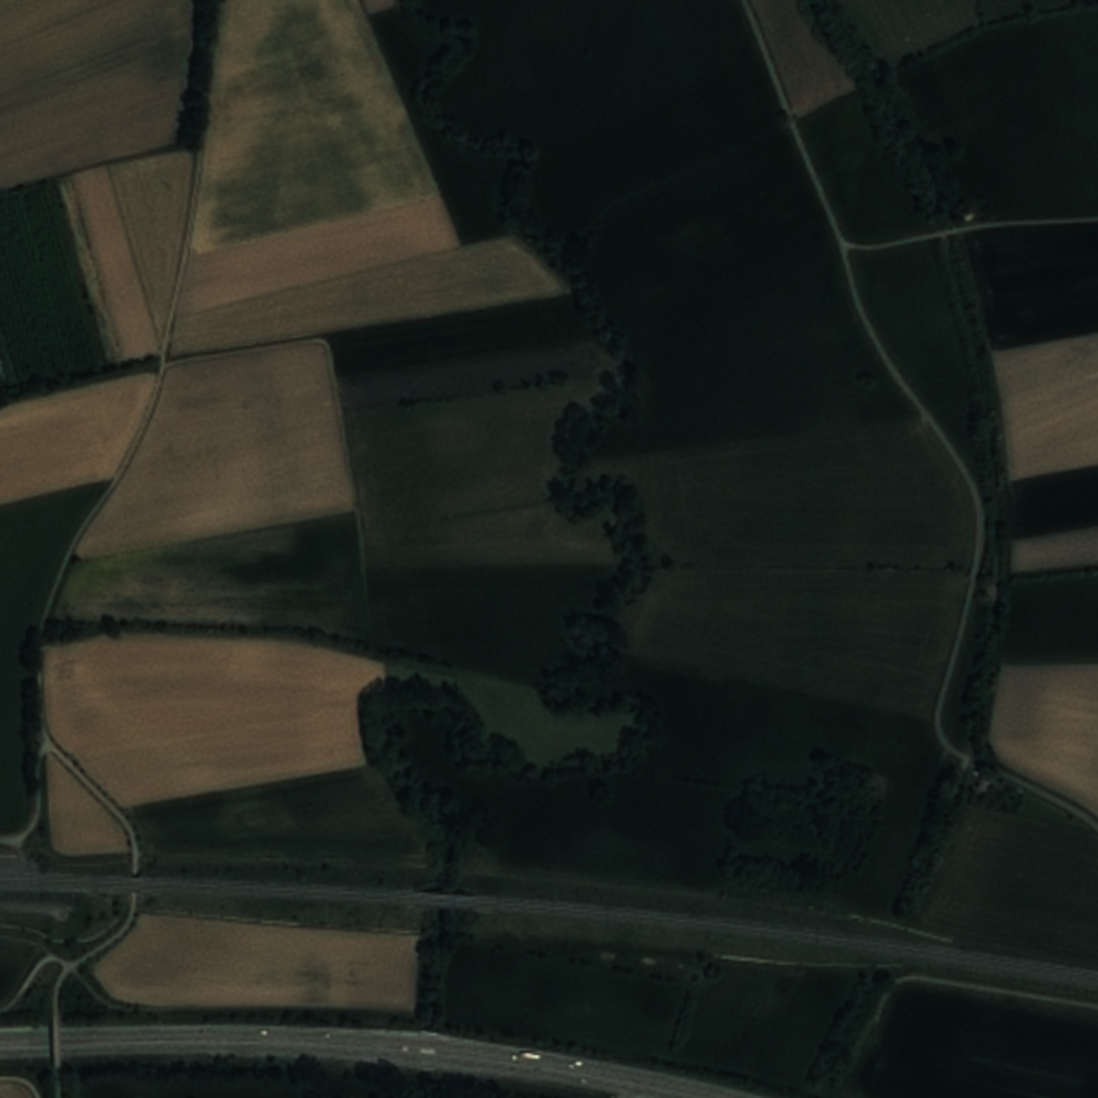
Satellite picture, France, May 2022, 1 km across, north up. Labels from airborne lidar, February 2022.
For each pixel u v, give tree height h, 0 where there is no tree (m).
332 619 0
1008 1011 0
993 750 0
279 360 0
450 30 12
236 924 0
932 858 6
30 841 0
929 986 0
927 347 0
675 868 0
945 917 0
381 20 0
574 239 0
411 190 0
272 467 0
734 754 0
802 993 0
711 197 0
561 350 0
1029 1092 0
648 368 0
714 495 0
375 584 0
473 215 0
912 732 0
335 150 0
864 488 0
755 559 0
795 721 0
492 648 0
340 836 0
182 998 0
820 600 0
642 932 0
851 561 0
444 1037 0
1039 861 0
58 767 0
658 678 0
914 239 0
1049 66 0
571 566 0
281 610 0
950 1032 0
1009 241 0
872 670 0
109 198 0
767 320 0
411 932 0
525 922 0
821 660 0
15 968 0
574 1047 7
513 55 0
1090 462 0
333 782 0
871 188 0
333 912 0
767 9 0
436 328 0
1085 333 0
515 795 0
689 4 0
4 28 0
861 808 19
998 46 0
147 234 0
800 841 18
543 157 0
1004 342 0
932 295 0
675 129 0
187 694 0
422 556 0
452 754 16
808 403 0
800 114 0
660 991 0
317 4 0
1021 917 0
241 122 0
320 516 0
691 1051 0
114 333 0
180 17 0
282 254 0
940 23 0
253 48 0
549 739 0
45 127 0
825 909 0
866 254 0
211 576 0
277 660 0
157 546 0
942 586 0
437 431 0
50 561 0
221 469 0
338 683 0
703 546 0
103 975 0
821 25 18
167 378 0
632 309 0
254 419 0
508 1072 0
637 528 16
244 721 0
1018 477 0
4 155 0
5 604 0
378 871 0
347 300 0
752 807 13
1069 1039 0
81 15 0
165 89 0
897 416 0
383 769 18
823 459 0
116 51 0
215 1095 0
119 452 0
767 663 0
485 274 0
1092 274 0
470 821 34
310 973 0
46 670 0
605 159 0
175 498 0
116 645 0
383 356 0
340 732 0
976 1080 0
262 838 0
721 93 0
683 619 0
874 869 0
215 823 0
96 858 0
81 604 0
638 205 0
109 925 0
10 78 0
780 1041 0
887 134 13
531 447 0
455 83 0
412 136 0
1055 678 0
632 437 0
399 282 0
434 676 0
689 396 0
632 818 0
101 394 0
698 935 0
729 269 0
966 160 0
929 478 0
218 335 0
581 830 0
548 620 0
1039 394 0
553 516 0
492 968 0
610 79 0
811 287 0
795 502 0
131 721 0
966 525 0
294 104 0
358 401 0
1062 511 0
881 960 0
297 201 0
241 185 0
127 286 0
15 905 0
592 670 20
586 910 0
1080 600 0
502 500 0
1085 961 0
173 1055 0
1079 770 0
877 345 0
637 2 0
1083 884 0
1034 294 0
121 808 0
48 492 0
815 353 0
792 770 0
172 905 0
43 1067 0
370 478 0
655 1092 0
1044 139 0
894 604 0
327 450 0
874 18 0
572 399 0
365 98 0
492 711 0
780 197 0
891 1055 0
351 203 0
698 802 0
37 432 0
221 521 0
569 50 0
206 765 0
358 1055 0
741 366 0
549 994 0
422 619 0
